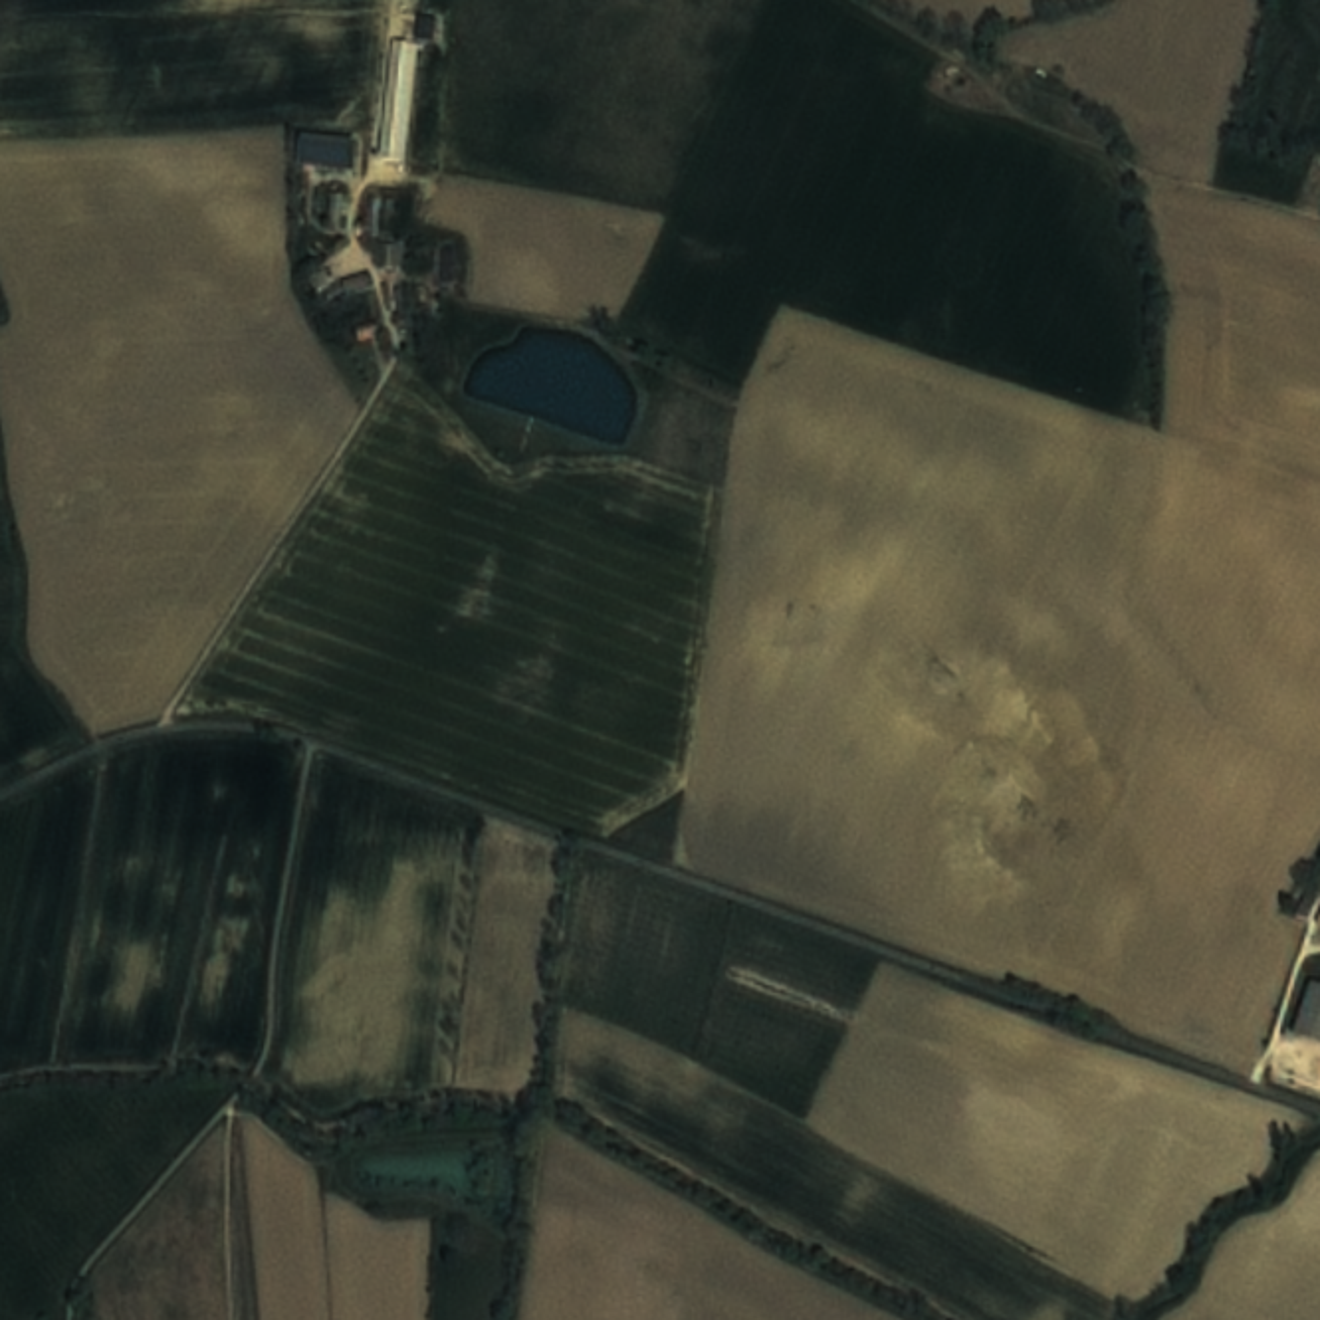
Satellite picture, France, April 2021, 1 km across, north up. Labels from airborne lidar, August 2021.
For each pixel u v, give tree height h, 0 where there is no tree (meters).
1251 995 0
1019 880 0
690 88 0
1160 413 10
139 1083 10
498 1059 0
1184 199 0
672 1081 0
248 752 0
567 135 0
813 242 0
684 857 0
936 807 0
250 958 0
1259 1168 0
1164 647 0
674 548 0
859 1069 0
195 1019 0
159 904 0
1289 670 0
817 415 0
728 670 0
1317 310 0
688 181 0
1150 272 14
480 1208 8
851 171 0
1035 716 0
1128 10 0
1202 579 0
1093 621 0
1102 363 0
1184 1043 0
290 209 7
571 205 0
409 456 0
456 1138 0
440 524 0
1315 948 0
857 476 0
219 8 0
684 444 0
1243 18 0
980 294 0
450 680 0
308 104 0
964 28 17
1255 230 0
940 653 0
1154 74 0
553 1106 14
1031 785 0
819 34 0
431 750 0
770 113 0
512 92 0
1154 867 0
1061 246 0
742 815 0
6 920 0
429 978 0
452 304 0
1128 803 0
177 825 0
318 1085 0
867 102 0
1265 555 0
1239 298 0
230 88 0
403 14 0
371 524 0
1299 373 0
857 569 0
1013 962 0
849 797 0
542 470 0
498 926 0
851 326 0
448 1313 0
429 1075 0
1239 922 0
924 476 0
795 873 0
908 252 0
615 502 0
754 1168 0
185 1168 0
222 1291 0
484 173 0
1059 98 0
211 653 0
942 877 0
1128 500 0
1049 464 0
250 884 0
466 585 0
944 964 0
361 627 0
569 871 19
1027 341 0
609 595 0
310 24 0
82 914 0
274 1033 0
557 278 0
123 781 0
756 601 0
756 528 0
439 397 0
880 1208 0
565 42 0
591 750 0
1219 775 0
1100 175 0
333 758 0
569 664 0
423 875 0
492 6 0
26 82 0
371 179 0
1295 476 0
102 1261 0
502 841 0
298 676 0
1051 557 0
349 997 0
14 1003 0
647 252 0
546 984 14
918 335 0
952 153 0
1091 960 0
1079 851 0
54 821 0
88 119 0
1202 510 0
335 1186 0
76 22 0
